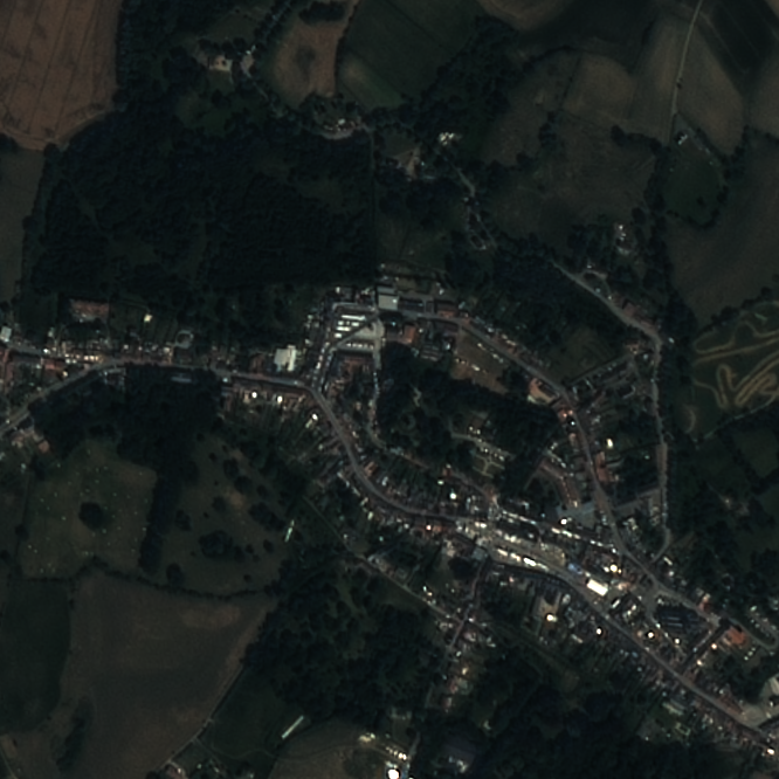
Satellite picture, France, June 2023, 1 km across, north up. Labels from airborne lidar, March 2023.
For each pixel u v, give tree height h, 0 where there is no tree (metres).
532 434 9
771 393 0
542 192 12
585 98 0
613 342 8
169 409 26
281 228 11
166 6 27
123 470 0
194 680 0
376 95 0
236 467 15
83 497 0
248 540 0
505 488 13
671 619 0
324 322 0
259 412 10
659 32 0
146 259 0
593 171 0
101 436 23
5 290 0
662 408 14
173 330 0
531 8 0
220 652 0
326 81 0
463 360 0
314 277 14
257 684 0
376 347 0
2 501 0
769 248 0
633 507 0
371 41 0
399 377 15
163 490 25
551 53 8
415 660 17
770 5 0
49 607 0
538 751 23
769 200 0
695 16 0
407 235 0
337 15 6
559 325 0
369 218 7
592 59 0
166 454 30
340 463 0
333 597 12
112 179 25
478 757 10
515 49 0
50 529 0
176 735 0
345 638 8
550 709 23
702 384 0
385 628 19
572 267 16
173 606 0
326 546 10
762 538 0
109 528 0
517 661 14
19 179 0
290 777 0
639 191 0
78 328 8
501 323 6
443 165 19
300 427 0
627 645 0
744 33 0
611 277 6
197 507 0
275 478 12
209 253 8
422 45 0
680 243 0
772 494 0
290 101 0
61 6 0
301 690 19
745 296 0
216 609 0
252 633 0
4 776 0
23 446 0
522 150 0
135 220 9
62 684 0
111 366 0
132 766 0
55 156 14
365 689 17
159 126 18
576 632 0
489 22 15
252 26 0
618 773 21
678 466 11
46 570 0
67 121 0
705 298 0
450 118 10
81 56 0
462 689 0
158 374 13
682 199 0
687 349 19
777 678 0
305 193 0
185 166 26
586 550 0
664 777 20
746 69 0
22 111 0
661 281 15
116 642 0
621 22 0
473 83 14
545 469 0
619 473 6
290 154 17
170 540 0
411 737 9
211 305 0
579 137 0
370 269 6
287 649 12
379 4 0
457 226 0
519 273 26
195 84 17
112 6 0
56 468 0
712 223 8
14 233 0
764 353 0
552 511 0
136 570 0
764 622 0
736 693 17
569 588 0
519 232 0
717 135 0
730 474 0
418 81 0
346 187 6
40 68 0
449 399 20
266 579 0
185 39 0
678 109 0
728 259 0
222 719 0
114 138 21
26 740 0
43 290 17
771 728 0
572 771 21
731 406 0
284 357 0
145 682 0
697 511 8
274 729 0
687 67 0
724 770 0
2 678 0
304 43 0
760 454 0
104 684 0
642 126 0
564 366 0
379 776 0
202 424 21
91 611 0
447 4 0
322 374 0
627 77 0
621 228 0
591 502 0
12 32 0
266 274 11
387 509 0
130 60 21
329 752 0
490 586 10
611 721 23
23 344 0
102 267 8
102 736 0
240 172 18
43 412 20
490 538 0
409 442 15
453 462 15
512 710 18
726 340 0
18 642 0
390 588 0
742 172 12
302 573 7
